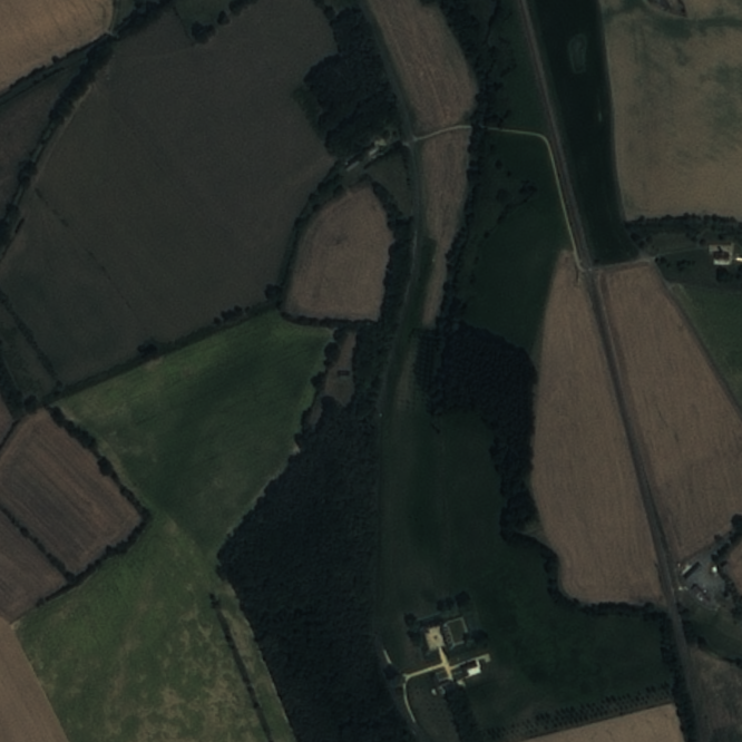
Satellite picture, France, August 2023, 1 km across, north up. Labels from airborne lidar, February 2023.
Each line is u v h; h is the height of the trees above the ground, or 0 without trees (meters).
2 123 0
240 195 0
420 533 0
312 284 0
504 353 28
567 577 0
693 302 0
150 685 0
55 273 0
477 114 8
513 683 0
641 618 17
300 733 16
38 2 0
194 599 0
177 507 0
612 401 0
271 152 0
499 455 19
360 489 24
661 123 0
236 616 0
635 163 0
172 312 0
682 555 0
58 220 0
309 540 23
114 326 0
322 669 17
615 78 0
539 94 0
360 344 13
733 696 0
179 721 0
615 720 0
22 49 0
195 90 0
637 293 0
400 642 0
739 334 0
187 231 0
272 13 0
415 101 0
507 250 0
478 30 8
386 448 0
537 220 0
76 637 0
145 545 0
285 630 12
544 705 0
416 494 0
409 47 0
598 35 0
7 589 0
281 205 0
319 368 0
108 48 15
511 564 0
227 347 0
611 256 0
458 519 0
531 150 0
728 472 0
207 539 0
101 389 0
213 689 0
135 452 0
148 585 0
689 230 16
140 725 0
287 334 0
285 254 0
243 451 0
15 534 0
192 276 0
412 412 0
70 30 0
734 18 0
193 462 0
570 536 0
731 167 0
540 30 0
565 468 0
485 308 0
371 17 0
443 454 0
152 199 0
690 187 0
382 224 0
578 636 0
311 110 0
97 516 0
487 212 0
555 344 0
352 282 0
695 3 0
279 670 15
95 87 0
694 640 17
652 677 0
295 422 0
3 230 18
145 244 0
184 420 0
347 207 0
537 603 0
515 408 27
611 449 0
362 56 18
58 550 0
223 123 0
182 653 0
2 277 0
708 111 0
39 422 0
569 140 0
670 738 0
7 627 0
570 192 0
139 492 0
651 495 0
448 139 0
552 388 0
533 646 0
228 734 0
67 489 0
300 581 20
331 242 0
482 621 0
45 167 0
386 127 9
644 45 0
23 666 0
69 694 0
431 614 0
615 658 0
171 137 0
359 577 23
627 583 0
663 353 0
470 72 0
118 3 9
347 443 20
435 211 0
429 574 0
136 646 0
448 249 0
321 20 0
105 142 0
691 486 0
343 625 27
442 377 14
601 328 0
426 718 0
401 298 15
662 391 0
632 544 0
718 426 0
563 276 0
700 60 0
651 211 0
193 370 0
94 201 0
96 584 0
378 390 19
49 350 0
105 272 0
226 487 0
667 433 0
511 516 18
